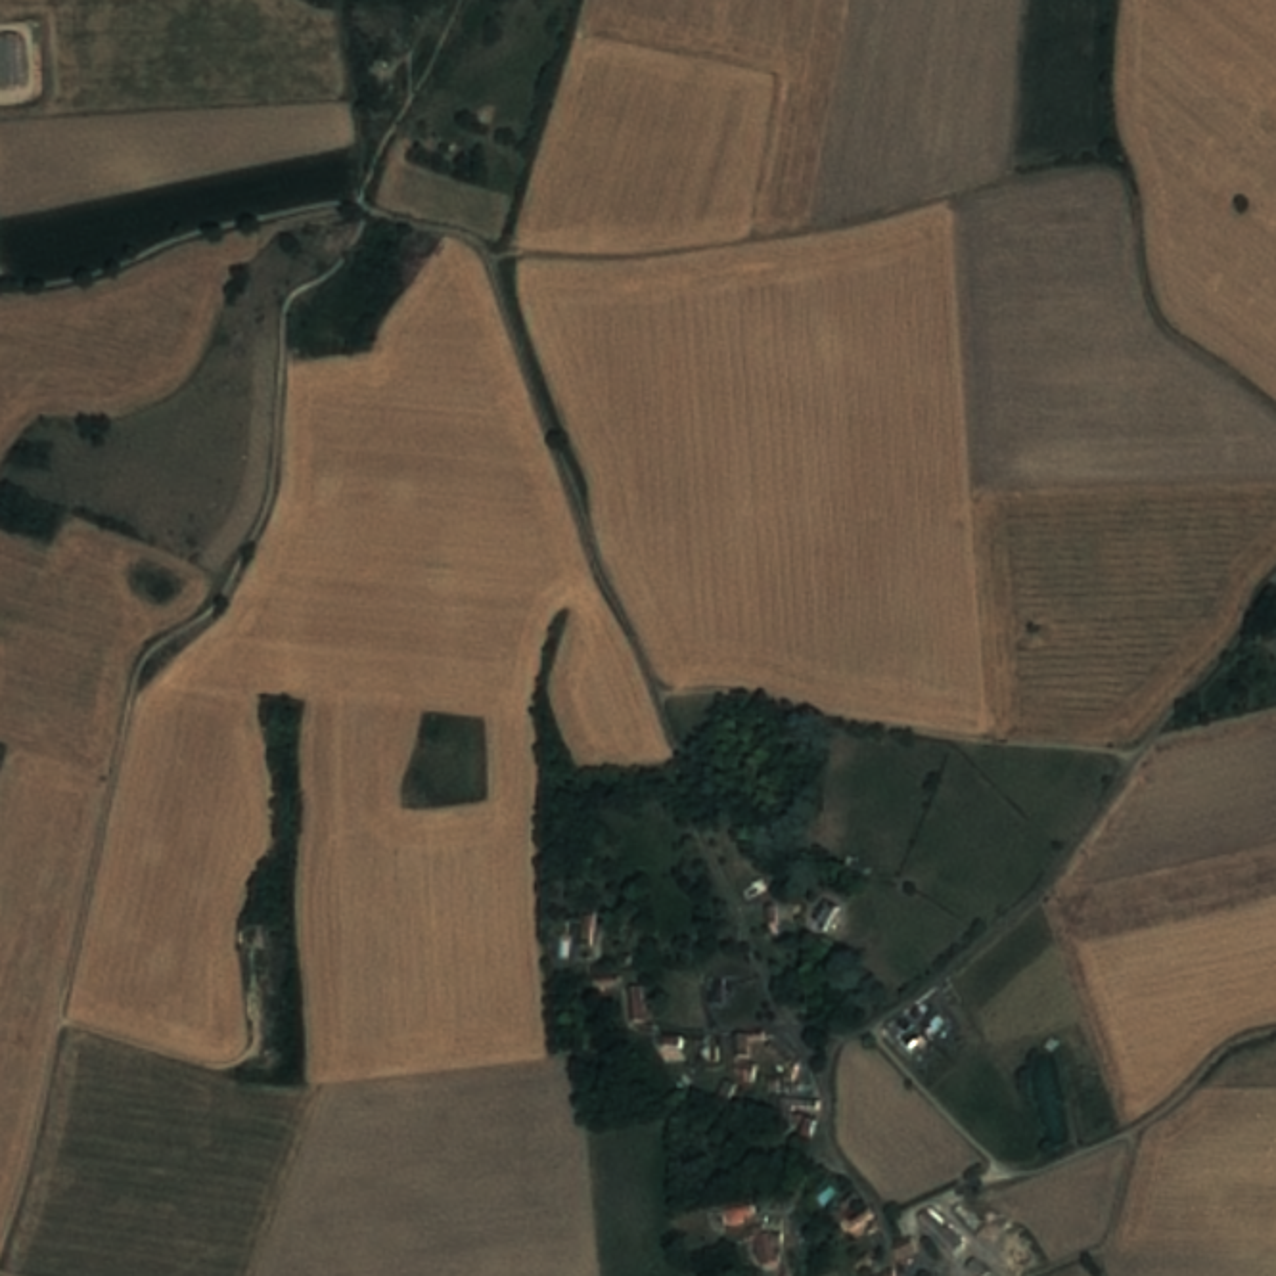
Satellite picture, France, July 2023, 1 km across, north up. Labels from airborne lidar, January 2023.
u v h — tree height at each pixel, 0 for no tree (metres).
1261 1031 0
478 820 0
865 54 0
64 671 0
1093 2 0
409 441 0
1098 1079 0
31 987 0
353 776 0
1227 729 0
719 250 0
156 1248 0
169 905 0
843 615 0
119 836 0
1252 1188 0
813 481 0
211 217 0
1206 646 0
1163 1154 0
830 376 0
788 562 0
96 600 0
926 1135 0
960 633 0
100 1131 0
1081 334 0
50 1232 0
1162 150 0
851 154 0
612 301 0
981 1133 0
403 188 0
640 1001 0
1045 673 0
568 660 0
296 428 0
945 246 0
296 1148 0
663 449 0
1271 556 0
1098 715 0
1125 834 0
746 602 0
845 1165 0
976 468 0
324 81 0
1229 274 0
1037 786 0
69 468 0
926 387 0
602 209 0
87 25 0
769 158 0
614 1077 20
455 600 0
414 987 0
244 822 0
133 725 0
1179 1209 0
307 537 0
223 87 0
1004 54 0
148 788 0
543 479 0
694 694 0
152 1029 0
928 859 0
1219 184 0
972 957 0
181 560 0
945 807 0
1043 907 0
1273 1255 0
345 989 0
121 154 0
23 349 0
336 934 0
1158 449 0
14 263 0
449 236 0
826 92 0
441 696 0
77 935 0
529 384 0
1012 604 0
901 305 0
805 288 0
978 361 0
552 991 8
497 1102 0
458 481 0
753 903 0
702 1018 0
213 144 0
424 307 0
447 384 0
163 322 0
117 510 0
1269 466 0
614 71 0
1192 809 0
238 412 0
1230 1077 0
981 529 0
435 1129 0
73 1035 0
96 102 0
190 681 0
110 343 0
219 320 0
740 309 0
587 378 0
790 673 0
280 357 0
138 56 0
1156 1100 0
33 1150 0
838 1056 0
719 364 0
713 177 0
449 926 0
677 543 0
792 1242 0
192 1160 0
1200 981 0
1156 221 0
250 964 0
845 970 33
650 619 0
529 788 0
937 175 0
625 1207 0
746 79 0
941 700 0
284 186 0
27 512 6
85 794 0
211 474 0
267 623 0
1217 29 0
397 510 0
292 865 12
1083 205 0
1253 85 0
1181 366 0
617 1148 0
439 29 0
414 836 0
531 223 0
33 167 0
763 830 18
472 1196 0
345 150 0
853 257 0
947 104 0
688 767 18
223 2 0
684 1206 15
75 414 0
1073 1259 0
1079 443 0
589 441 0
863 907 0
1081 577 0
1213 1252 0
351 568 0
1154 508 0
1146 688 0
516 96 0
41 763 0
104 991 0
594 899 21
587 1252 0
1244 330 0
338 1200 0
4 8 0
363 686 0
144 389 0
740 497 0
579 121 0
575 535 0
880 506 0
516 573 0
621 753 0
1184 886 0
